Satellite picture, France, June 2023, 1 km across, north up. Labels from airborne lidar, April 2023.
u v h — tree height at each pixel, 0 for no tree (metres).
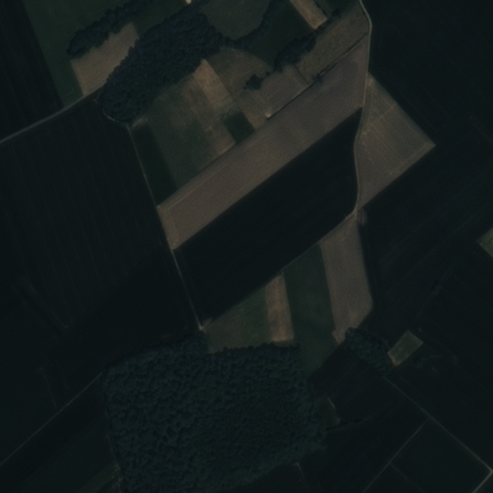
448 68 0
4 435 0
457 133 0
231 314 0
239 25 0
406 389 0
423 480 0
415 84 0
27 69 0
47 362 0
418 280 0
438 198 0
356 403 0
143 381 24
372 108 0
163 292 0
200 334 18
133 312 0
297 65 0
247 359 25
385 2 0
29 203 0
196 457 19
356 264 0
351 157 0
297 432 18
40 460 0
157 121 0
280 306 0
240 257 0
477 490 0
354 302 0
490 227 0
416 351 0
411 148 0
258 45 0
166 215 0
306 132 0
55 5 0
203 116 0
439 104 0
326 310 0
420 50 0
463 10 0
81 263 0
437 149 0
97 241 0
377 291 0
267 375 24
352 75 0
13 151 0
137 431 17
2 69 0
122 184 0
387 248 0
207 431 21
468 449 0
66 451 0
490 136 0
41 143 0
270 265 0
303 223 0
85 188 0
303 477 0
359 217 0
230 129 0
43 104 0
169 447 20
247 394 16
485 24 0
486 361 0
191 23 25
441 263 0
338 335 0
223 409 20
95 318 0
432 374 0
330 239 0
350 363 0
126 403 25
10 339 0
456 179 0
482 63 0
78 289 0
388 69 0
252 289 0
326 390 0
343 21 0
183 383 24
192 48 28
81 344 0
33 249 0
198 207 0
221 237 0
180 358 13
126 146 0
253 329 0
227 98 0
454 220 0
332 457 0
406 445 0
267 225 0
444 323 0
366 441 0
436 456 0
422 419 0
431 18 0
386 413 0
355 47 0
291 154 0
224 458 24
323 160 0
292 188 0
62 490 0
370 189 0
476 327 0
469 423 0
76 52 23
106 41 0
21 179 0
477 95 0
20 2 0
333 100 0
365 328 0
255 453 20
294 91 0
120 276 0
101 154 0
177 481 27
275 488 0
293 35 0
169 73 26
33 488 0
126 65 17
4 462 0
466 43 0
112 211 0
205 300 0
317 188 0
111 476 0
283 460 19
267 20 17
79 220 0
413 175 0
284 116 0
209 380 24
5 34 0
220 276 0
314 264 0
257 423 22
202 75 0
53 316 0
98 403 0
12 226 0
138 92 26
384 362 22
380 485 0
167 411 16
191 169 0
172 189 0
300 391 23
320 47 0
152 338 0
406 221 0
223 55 0
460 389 0
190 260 0
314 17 0
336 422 0
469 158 0
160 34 23
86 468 0
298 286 0
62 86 0
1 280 0
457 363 0
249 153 0
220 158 0
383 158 0
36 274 0
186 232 0
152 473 26
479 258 0
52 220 0
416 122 0
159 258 0
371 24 0
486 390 0
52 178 0
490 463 0
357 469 0
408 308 0
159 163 0
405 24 0
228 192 0
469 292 0
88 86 0
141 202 0
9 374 0
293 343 0
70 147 0
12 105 0
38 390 0
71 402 0
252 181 0
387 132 0
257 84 21
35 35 0
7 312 0
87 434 0
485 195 0
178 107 0
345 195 0
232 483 18
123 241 0
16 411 0
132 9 20
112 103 25
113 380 22
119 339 0
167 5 0
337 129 0
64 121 0
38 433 0
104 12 0
